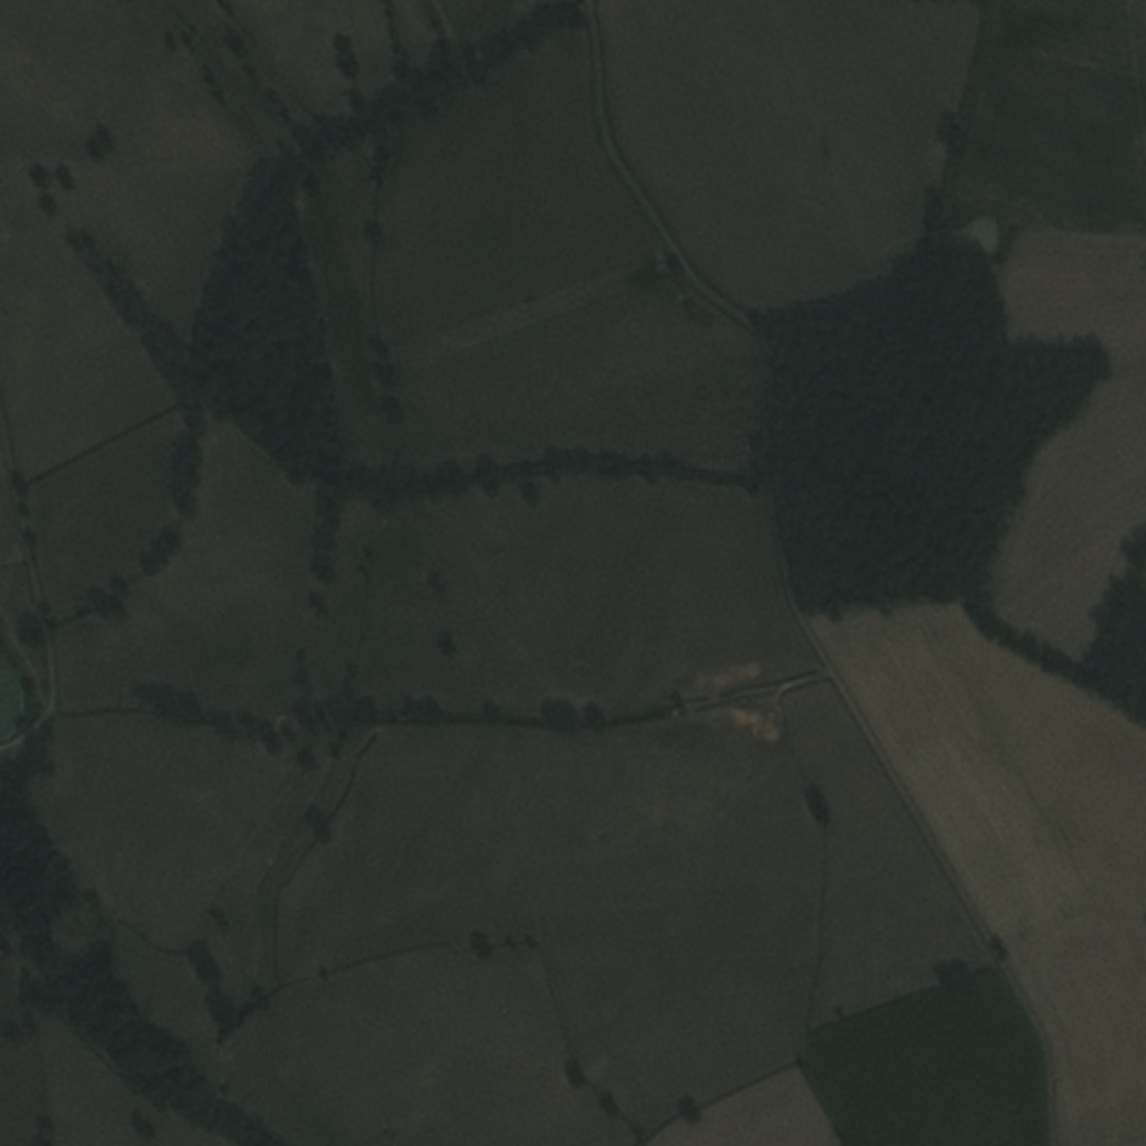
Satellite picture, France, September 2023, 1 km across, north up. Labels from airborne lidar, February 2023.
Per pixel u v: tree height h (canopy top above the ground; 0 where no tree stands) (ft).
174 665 0
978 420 61
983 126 0
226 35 0
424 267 0
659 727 0
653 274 0
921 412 65
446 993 0
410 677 0
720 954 0
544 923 0
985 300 69
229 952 0
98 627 0
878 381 60
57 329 0
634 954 0
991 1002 0
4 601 0
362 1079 0
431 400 0
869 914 0
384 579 0
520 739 0
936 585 59
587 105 0
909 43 0
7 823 56
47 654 0
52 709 0
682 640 0
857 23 0
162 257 0
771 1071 0
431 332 0
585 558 0
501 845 0
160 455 0
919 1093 0
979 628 24
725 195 0
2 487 0
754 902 0
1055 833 0
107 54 0
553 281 0
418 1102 0
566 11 41
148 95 0
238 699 0
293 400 55
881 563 59
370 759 0
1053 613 0
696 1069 0
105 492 0
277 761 0
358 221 0
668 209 0
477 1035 0
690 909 0
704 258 0
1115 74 0
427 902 0
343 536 0
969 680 0
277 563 0
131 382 0
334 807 0
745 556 0
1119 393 0
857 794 0
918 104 0
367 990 0
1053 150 0
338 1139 0
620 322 0
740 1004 0
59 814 0
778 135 0
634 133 0
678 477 25
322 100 0
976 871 0
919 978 0
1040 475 0
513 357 0
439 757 0
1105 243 0
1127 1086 0
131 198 0
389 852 0
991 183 0
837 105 0
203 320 26
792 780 0
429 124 0
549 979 0
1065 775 0
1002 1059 0
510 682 0
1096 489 0
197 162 0
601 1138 0
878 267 0
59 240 0
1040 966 0
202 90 0
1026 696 0
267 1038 0
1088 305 0
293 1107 0
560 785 0
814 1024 0
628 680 0
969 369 77
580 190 0
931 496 67
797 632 0
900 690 0
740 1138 0
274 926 0
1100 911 0
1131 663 56
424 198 0
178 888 0
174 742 0
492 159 0
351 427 0
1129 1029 0
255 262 73
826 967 0
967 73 0
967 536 73
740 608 0
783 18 0
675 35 0
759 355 0
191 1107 53
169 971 0
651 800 0
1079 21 0
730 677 0
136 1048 56
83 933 0
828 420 64
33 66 0
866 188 0
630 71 0
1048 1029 0
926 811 0
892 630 0
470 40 0
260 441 43
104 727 0
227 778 0
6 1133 0
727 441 0
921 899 0
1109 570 0
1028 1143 0
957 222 0
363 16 0
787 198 0
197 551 0
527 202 0
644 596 0
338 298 0
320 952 0
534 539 0
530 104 0
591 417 0
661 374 0
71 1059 0
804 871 0
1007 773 0
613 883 0
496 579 0
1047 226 0
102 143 35
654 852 0
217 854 0
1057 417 56
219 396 69
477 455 0
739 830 0
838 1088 0
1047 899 0
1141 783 0
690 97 0
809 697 0
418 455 0
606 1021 0
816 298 0
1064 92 0
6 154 0
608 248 0
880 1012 0
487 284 0
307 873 0
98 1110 0
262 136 0
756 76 0
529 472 31
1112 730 0
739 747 0
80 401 0
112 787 0
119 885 0
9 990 0
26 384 0
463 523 0
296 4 0
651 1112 0
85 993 66
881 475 67
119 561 0
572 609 0
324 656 0
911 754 0
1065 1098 0
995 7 0
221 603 0
